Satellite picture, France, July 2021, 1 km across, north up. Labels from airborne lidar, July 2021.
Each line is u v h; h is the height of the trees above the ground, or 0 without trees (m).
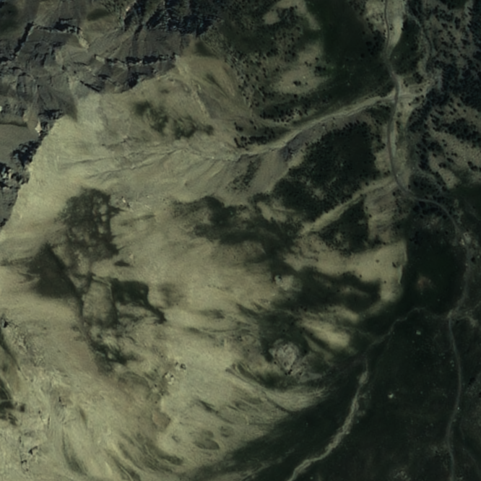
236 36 0
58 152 0
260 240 0
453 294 0
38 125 0
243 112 0
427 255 0
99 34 0
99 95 0
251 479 0
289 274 0
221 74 0
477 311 0
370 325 0
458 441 0
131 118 0
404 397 0
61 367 0
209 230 0
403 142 0
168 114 0
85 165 0
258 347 0
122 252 0
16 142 0
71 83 0
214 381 0
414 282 0
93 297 0
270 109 0
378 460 0
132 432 0
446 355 0
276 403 0
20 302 0
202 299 0
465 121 8
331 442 0
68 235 0
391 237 0
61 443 0
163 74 0
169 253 0
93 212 0
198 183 0
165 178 0
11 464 0
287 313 0
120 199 0
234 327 0
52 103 0
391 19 0
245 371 0
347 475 0
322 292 0
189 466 0
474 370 0
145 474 0
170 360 0
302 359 0
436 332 0
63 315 0
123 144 0
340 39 0
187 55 0
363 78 0
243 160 0
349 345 0
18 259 0
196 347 0
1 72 0
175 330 0
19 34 0
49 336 0
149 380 0
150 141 0
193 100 0
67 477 0
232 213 0
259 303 0
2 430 0
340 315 0
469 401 0
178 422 0
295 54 10
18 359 0
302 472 0
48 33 0
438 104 7
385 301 0
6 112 0
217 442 0
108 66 0
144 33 0
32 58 0
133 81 0
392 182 0
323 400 0
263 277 0
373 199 0
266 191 0
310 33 0
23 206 0
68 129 0
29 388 0
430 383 0
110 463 0
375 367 0
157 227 0
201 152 0
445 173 0
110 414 0
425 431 0
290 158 0
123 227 0
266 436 0
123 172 0
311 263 0
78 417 0
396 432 0
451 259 0
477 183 0
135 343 0
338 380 0
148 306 0
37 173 0
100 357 0
